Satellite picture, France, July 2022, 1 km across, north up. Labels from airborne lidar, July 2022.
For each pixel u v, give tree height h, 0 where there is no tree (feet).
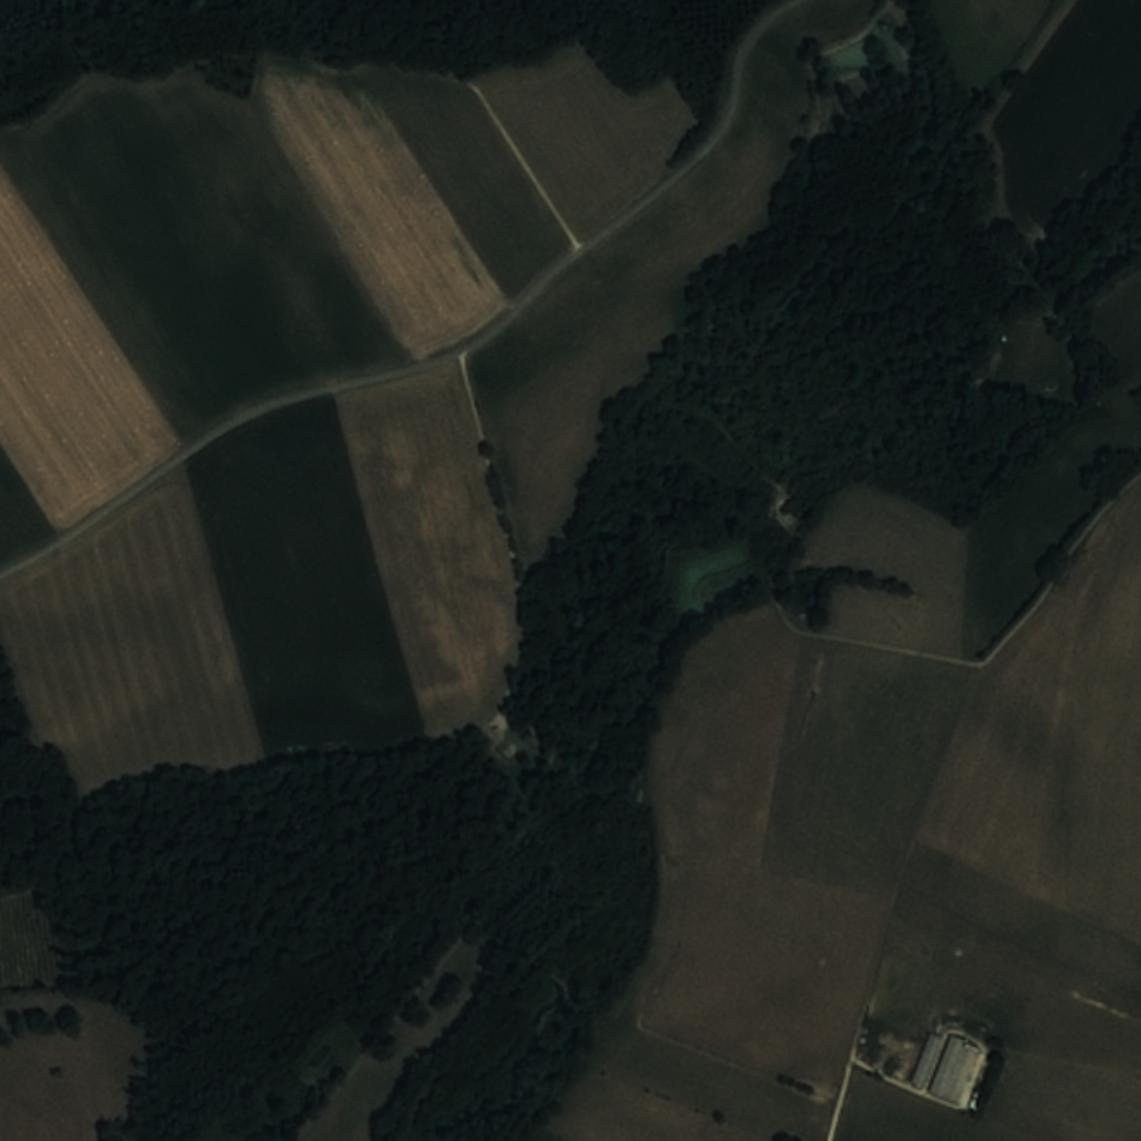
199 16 25
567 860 21
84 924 81
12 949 0
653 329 0
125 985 90
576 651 43
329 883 66
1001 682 0
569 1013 83
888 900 0
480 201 0
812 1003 0
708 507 71
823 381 25
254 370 0
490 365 0
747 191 0
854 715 0
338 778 85
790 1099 0
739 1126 0
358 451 0
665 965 0
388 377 0
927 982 0
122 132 0
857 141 59
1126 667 0
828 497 33
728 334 24
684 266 0
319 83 0
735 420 70
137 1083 45
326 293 0
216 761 0
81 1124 0
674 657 71
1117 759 0
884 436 22
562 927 81
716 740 0
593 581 62
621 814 24
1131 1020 0
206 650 0
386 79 0
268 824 79
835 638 0
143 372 0
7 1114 0
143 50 75
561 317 0
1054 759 0
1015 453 55
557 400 0
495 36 66
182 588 0
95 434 0
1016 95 36
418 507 0
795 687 0
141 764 0
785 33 0
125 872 82
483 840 67
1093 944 0
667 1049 0
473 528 0
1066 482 0
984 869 0
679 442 18
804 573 22
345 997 32
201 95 0
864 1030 0
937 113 41
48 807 97
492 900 32
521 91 0
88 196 0
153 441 0
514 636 0
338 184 0
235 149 0
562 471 0
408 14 84
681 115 0
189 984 79
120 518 0
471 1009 52
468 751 52
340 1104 0
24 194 0
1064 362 0
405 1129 66
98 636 0
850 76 0
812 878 0
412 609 0
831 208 67
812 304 49
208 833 93
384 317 0
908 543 0
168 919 36
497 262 0
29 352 0
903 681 0
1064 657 0
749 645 0
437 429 0
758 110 0
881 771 0
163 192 0
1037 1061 0
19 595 0
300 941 77
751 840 0
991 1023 0
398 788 66
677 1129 0
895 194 53
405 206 0
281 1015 29
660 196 0
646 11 84
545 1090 118
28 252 0
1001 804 0
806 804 0
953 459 45
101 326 0
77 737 0
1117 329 0
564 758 34
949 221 66
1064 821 0
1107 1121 0
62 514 0
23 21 64
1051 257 56
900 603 0
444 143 0
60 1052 0
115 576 0
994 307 50
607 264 0
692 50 57
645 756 18
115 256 0
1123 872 0
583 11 82
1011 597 0
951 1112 0
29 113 49
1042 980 0
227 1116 105
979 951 0
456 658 0
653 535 31
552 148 0
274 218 0
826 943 0
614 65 68
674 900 0
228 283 0
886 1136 0
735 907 0
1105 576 0
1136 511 0
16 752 83
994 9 0
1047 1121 0
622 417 29
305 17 52
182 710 0
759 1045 0
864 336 81
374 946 72
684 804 0
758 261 50
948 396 64
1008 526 0
